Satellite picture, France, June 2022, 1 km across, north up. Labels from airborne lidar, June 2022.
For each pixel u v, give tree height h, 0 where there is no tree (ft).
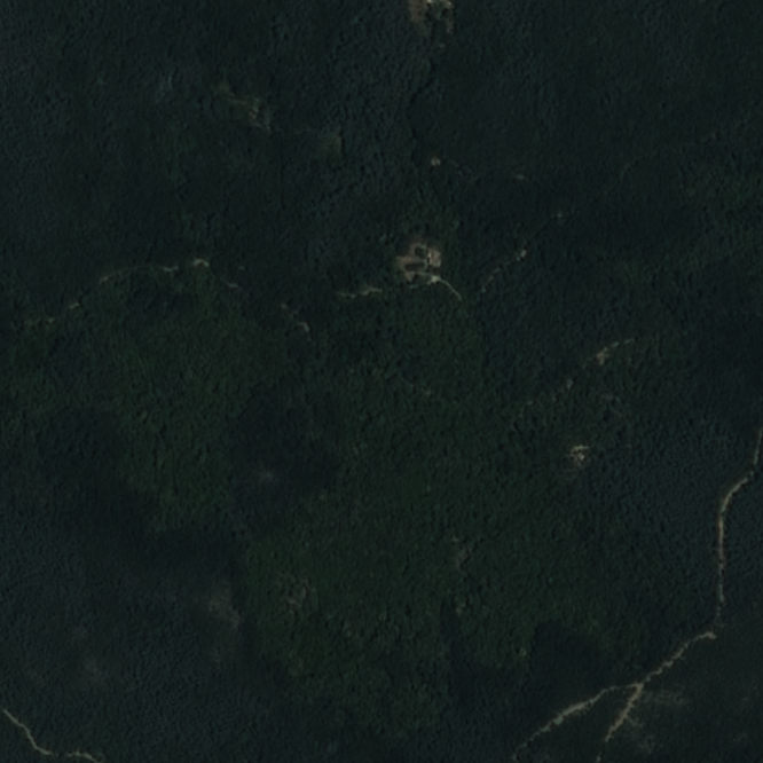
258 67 48
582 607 40
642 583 44
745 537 44
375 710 52
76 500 32
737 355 28
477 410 47
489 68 19
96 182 48
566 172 35
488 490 58
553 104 33
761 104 52
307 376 42
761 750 44
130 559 33
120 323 22
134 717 23
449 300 26
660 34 53
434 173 44
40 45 49
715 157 57
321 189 49
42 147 53
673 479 52
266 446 27
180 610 41
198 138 51
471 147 41
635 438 31
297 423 48
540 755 60
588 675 22
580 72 47
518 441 56
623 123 34
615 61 43
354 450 66
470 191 56
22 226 30
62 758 45
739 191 25
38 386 43
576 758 50
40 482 37
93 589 20
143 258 39
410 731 42
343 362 51
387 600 58
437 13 31
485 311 40
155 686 43
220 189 45
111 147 54
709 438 58
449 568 54
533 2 33
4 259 32
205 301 50
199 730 41
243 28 43
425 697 64
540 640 69
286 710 24
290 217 53
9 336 62
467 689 40
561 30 33
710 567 59
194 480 50
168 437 44
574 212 60
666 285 45
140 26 37
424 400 39
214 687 20
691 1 39
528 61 54
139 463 41
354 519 71
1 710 41
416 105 81
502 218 63
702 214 36
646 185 53
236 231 68
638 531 47
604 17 33
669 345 40
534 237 29
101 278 31
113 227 32
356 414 52
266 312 30
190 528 57
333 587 26
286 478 35
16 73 45
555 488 49
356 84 59
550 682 27
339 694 54
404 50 44
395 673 59
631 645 39
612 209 71
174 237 61
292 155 54
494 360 37
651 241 58
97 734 35
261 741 25
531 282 51
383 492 56
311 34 64
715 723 36
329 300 40
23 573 33
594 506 47
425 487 46
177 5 37
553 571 51
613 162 38
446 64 54
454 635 52
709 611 31
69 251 30
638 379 39
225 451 32
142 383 31
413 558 58
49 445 44
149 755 43
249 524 44
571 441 18
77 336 52
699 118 34
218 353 45
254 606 33
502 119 21
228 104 53
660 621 25
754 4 39
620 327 34
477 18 33
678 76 37
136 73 35
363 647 74
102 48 49
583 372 38
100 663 18
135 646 38
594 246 53
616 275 47
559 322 45
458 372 44
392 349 46
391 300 37
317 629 40
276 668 48
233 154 43
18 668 22
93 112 34
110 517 21
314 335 37
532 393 32
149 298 63
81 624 26
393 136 67
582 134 44
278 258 51
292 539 61
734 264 47
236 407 42
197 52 27
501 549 39
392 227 48
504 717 52
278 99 47
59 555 41
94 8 48
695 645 25
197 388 39
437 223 35
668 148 33
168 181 40
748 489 44
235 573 41
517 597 39
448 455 72
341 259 64
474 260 23
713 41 30
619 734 29
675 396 23
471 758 50
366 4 47
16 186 31
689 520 50
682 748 35
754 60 34
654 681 29
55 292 37
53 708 39
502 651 68
